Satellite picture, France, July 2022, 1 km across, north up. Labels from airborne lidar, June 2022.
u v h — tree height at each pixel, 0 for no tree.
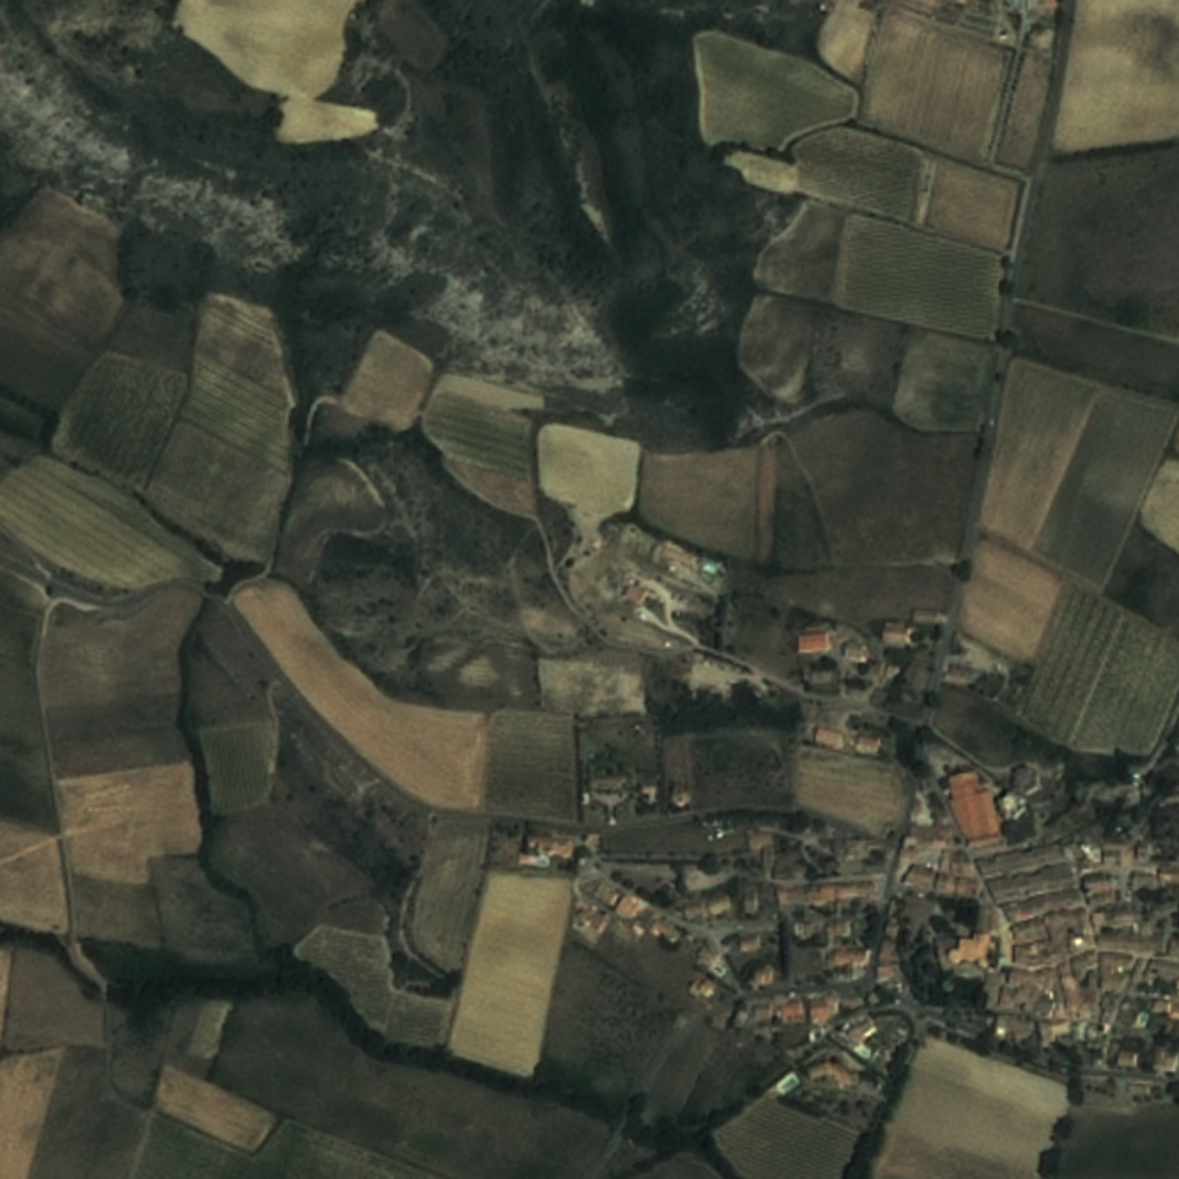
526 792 0
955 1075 0
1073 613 0
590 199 0
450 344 0
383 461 6
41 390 0
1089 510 0
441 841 0
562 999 0
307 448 6
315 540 0
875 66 0
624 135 0
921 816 0
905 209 0
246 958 0
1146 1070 9
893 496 0
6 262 0
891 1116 14
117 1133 0
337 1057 0
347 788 0
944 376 0
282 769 5
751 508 0
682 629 0
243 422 0
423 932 0
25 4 0
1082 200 0
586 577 0
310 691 0
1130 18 0
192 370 0
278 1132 0
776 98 0
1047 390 0
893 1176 0
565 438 0
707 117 0
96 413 0
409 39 0
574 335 0
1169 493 0
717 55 0
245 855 0
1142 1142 0
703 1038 0
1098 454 0
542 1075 10
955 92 0
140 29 0
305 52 0
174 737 0
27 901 0
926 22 0
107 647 0
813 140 0
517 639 0
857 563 0
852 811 0
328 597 0
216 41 0
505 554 0
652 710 10
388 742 0
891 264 0
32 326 0
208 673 0
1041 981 0
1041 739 0
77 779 0
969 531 0
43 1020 0
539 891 0
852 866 0
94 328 0
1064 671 0
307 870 0
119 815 0
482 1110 0
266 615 0
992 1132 0
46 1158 0
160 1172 0
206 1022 0
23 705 0
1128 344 0
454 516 0
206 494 0
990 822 0
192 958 0
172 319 0
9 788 0
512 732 0
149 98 0
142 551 0
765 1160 0
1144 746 0
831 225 0
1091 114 0
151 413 0
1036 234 0
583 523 0
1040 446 0
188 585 0
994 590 0
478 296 0
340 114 0
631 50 7
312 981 13
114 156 0
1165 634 0
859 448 0
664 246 0
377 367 0
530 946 0
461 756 0
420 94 0
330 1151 0
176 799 0
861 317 0
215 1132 0
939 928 10
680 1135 12
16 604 0
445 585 0
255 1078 0
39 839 0
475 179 0
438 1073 8
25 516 0
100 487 0
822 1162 0
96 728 0
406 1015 0
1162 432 0
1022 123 0
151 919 0
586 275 8
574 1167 0
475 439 0
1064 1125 12
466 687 0
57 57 0
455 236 0
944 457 0
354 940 0
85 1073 0
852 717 7
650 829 0
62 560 0
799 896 0
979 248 0
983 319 0
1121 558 0
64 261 0
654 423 0
